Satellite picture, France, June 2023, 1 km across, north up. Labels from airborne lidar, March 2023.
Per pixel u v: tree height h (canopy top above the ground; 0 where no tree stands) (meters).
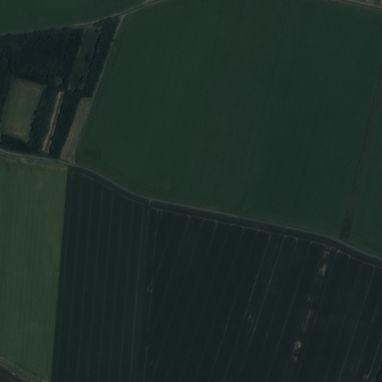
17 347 0
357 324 0
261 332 0
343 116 0
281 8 0
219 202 0
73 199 0
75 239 0
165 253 0
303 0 0
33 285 0
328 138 0
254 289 0
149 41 0
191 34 0
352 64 0
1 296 0
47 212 0
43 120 20
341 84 0
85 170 0
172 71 0
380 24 0
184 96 0
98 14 0
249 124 0
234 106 0
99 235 0
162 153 0
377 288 0
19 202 0
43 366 0
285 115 0
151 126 0
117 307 0
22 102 0
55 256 0
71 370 0
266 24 0
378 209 0
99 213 0
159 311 0
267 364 0
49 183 0
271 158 0
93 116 0
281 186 0
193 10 0
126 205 0
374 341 0
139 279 0
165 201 0
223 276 0
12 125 0
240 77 0
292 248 0
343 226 0
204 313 0
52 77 20
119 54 0
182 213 0
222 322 0
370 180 0
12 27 0
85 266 0
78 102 16
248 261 0
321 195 0
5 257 0
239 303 0
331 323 0
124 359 0
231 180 0
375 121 0
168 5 0
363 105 0
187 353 0
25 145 7
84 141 0
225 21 0
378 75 0
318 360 0
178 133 0
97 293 0
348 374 0
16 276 0
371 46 0
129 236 0
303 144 0
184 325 0
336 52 0
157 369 0
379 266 0
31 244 0
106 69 0
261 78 0
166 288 0
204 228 0
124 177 0
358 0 0
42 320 0
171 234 0
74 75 0
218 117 0
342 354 0
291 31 0
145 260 0
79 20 0
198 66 0
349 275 0
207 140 0
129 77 0
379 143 0
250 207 0
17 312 0
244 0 0
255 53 0
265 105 0
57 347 0
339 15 0
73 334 0
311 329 0
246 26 0
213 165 0
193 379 0
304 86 0
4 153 0
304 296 0
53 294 0
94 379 0
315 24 0
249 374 0
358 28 0
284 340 0
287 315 0
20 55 21
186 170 0
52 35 17
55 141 17
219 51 0
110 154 0
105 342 0
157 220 0
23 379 0
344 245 0
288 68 0
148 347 0
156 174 0
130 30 0
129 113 0
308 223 0
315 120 0
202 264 0
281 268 0
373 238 0
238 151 0
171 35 0
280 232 0
